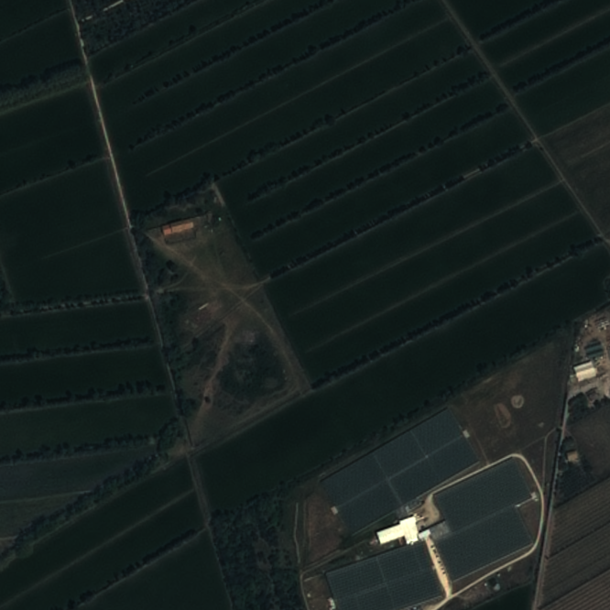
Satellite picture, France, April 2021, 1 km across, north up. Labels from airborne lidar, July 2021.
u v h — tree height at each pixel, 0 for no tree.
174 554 0
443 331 0
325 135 0
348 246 0
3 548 0
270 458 0
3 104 26
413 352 0
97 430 0
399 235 0
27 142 0
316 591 0
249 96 0
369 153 0
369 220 0
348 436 0
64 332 0
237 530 9
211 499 0
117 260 0
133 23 9
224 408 0
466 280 0
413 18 0
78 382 0
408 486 0
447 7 0
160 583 0
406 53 0
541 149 6
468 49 11
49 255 0
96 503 13
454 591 0
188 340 0
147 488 0
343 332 0
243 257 0
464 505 0
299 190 0
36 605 0
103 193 0
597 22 0
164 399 0
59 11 5
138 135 0
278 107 0
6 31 0
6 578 0
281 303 0
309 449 0
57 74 22
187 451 0
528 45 0
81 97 0
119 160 0
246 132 0
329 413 0
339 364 0
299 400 0
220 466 0
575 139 0
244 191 0
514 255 0
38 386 0
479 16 0
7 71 0
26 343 0
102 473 0
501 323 0
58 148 0
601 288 0
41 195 0
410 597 0
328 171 0
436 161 0
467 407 0
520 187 0
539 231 0
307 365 0
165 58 0
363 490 0
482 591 0
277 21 0
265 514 12
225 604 0
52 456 20
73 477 0
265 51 0
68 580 0
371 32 0
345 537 0
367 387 0
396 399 0
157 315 12
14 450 0
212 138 0
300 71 0
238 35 0
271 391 0
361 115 0
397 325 0
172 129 9
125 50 0
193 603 0
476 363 0
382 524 0
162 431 10
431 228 0
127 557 0
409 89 0
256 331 0
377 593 0
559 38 0
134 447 13
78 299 9
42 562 0
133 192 0
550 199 0
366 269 0
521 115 0
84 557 0
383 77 0
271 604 6
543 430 0
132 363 0
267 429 0
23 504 0
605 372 0
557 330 13
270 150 14
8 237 0
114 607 0
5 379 0
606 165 0
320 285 0
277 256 0
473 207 0
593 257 0
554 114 0
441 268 0
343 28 0
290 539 0
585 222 0
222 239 0
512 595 0
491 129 0
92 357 0
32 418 0
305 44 0
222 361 0
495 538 0
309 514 0
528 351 10
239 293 0
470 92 0
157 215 13
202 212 9
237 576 11
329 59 0
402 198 0
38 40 0
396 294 0
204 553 0
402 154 0
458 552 0
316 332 0
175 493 0
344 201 0
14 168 0
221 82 0
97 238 0
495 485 0
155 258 15
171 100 0
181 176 0
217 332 0
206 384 0
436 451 0
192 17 0
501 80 0
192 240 0
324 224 0
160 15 11
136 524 0
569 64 12
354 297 0
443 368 0
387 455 0
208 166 0
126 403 0
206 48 0
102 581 0
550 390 0
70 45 0
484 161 0
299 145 0
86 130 0
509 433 0
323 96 0
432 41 0
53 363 0
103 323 0
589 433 0
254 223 0
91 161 14
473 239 0
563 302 0
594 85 0
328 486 0
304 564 0
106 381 0
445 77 0
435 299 0
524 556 0
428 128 0
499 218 0
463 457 0
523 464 0
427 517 0
